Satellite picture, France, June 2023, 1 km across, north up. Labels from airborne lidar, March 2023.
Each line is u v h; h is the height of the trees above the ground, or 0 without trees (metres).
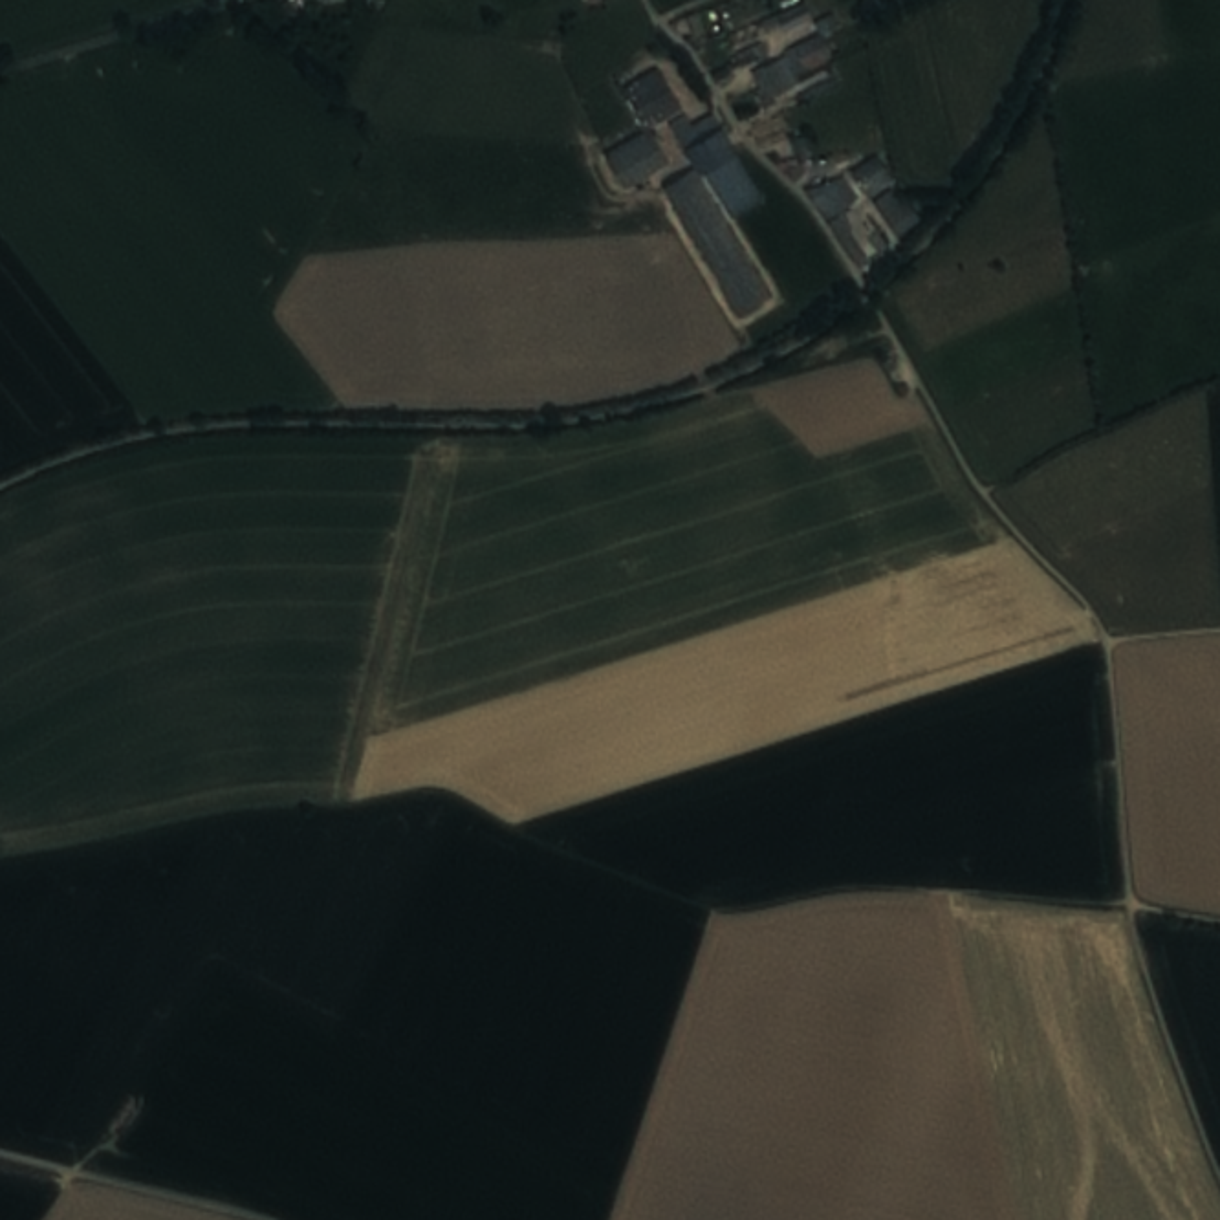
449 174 0
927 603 0
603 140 0
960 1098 0
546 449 0
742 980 0
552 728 0
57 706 0
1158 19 0
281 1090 0
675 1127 0
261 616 0
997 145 8
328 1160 0
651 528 0
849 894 0
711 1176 0
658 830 0
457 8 0
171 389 0
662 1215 0
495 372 0
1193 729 0
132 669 0
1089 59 0
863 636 0
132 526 0
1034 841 0
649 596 0
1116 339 0
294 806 0
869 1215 0
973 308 0
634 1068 0
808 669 0
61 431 0
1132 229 0
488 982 0
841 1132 0
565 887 0
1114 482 0
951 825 0
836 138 0
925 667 0
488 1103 0
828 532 0
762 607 0
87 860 0
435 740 0
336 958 0
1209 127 0
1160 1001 0
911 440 0
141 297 0
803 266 0
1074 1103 0
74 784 0
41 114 0
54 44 0
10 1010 0
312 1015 0
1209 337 0
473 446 0
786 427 0
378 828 0
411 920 0
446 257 0
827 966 0
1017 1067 0
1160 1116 0
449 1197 0
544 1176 0
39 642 0
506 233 0
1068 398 0
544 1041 0
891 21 20
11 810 0
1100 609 0
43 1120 0
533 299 0
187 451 0
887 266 11
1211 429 0
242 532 0
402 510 0
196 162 0
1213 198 0
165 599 0
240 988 0
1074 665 0
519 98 0
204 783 0
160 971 0
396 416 11
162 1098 0
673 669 0
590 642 0
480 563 0
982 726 0
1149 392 0
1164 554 0
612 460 0
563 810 0
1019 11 0
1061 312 0
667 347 0
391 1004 0
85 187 0
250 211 0
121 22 18
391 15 0
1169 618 0
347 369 0
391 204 0
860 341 0
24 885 0
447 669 0
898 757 0
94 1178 0
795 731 0
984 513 0
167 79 0
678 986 0
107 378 0
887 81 0
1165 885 0
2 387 0
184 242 0
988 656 0
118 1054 0
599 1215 0
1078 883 0
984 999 0
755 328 0
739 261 0
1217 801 0
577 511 0
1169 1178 0
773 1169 0
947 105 0
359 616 0
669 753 0
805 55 0
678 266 0
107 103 0
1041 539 0
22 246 0
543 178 0
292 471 0
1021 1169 0
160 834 0
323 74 22
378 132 0
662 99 0
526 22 0
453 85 0
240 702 0
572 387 0
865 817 0
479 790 0
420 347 0
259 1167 0
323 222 0
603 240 0
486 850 0
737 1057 0
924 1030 0
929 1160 0
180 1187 0
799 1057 0
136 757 0
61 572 0
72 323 0
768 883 0
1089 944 0
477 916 0
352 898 0
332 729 0
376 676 0
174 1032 0
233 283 0
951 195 8
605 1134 0
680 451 0
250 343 0
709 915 0
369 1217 0
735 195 0
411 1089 0
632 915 0
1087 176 0
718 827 0
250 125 0
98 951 0
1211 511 0
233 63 0
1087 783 0
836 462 0
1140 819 0
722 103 0
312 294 0
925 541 0
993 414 0
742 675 0
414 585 0
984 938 0
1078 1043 0
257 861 0
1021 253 0
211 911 0
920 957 0
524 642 0
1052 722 0
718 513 0
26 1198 0
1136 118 0
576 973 0
